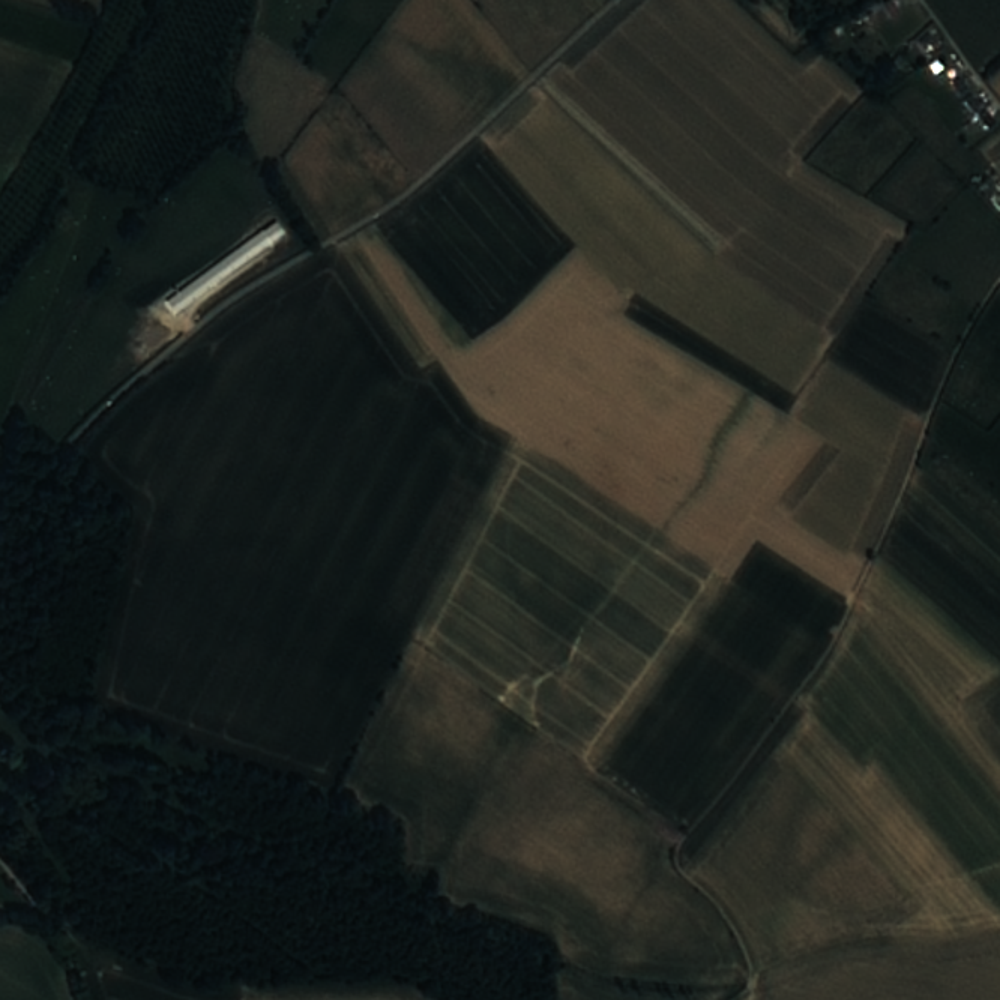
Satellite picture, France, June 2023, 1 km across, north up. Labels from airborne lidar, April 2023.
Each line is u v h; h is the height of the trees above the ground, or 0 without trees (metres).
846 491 0
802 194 0
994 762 0
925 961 0
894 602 0
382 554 0
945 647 0
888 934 0
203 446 0
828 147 0
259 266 0
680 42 0
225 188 0
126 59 12
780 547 0
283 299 0
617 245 0
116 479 0
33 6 0
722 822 0
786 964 0
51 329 0
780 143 0
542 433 0
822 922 0
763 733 0
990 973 0
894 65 16
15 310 0
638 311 0
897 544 0
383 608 0
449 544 0
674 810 0
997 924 0
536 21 0
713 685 0
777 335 0
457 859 0
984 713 0
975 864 0
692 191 0
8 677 21
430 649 0
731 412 0
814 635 0
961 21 0
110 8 10
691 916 0
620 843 0
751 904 0
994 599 0
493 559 0
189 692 0
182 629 0
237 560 0
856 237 0
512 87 0
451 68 0
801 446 0
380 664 0
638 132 0
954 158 0
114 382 0
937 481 0
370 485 0
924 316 0
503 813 0
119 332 0
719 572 0
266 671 0
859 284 0
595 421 0
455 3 0
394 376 0
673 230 0
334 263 0
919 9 0
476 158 0
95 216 0
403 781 0
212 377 0
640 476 0
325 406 0
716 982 0
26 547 27
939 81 0
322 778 0
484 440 0
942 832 0
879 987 0
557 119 0
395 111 0
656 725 0
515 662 0
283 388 0
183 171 13
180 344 0
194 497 0
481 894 0
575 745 0
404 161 0
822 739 0
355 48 0
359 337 0
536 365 0
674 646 0
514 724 0
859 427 0
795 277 0
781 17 0
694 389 0
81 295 0
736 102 0
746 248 0
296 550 0
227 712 0
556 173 0
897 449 0
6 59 0
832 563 0
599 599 0
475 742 0
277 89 0
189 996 0
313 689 0
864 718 0
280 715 0
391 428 0
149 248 0
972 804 0
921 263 0
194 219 0
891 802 0
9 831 31
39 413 0
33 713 19
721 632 0
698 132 0
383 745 0
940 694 0
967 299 0
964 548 0
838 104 0
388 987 0
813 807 0
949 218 0
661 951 0
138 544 0
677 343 0
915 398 0
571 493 0
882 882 0
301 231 19
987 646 0
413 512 0
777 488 0
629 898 0
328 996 0
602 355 0
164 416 0
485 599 0
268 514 0
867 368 0
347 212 0
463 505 0
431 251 0
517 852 0
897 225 0
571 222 0
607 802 0
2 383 0
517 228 0
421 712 0
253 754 0
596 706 0
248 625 0
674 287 0
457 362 0
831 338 0
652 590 0
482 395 0
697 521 0
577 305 0
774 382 0
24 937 0
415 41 0
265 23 0
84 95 0
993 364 0
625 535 0
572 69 0
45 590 21
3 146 0
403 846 19
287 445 0
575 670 0
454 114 0
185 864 24
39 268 0
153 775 19
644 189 0
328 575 0
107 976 0
